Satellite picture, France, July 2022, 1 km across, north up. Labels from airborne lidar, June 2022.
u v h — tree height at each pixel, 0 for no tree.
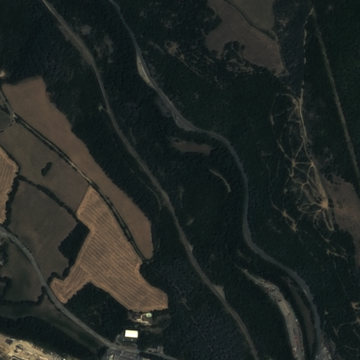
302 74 12
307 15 12
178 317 15
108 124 8
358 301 10
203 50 8
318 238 11
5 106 8
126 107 14
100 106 0
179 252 16
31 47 20
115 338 11
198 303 16
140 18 9
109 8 17
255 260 16
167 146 16
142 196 19
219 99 8
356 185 13
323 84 14
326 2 13
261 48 0
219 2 0
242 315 12
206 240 10
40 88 0
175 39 12
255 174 8
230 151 7
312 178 0
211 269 8
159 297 0
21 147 0
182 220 9
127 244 0
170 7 13
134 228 0
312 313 10
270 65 0
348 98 11
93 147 14
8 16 12
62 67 13
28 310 0
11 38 12
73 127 8
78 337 0
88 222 0
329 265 12
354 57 7
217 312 10
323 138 10
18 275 0
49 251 0
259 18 0
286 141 10
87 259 0
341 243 13
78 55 8
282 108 13
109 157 13
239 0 0
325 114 9
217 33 0
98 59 9
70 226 0
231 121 9
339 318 11
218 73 11
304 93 0
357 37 10
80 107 11
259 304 14
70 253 17
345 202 0
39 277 0
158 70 10
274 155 9
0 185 0
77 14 7
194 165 19
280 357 19
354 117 14
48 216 0
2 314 0
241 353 11
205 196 15
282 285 9
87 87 14
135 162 13
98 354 10
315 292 13
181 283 17
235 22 0
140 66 0
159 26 12
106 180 0
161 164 11
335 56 12
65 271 11
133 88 15
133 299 0
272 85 11
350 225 0
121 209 0
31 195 0
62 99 9
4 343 0
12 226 0
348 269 11
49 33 19
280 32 5
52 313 0
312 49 13
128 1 11
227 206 15
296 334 0
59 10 14
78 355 19
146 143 15
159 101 0
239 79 15
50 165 7
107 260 0
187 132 8
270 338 10
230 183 15
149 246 0
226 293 12
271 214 6
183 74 13
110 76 18
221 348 11
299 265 8
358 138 16
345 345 10
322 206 0
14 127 0
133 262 0
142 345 14
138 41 13
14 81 15
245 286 19
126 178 13
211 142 15
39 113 0
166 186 12
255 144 7
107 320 13
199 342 19
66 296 0
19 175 10
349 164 12
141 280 0
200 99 9
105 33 9
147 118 14
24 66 23
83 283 0
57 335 19
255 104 9
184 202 15
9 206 10
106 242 0
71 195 0
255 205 7
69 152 0
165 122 16
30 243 0
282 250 13
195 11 13
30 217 0
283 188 10
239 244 15
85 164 0
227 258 17
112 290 0
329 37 12
